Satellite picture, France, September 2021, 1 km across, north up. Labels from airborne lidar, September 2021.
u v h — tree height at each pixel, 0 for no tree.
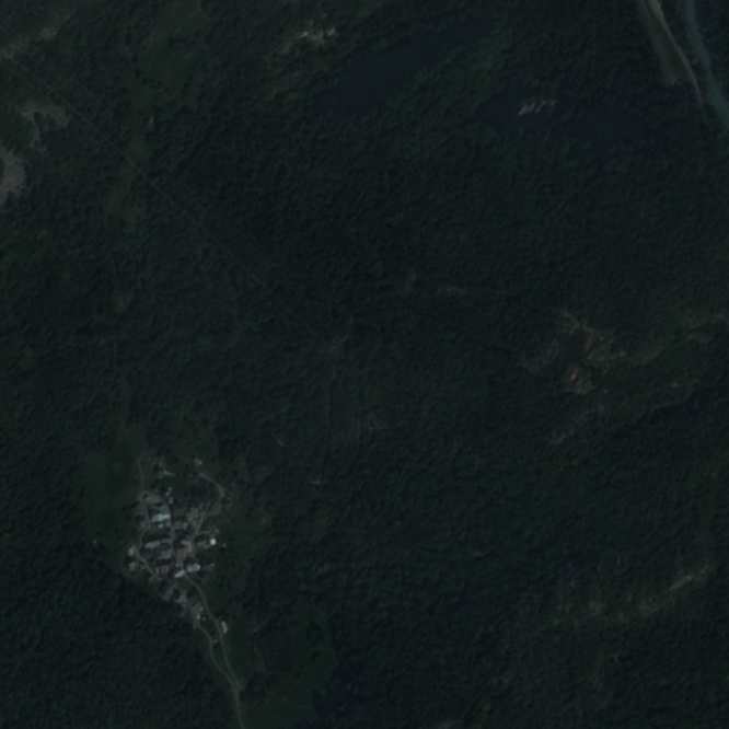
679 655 28
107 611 25
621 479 8
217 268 9
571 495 20
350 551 18
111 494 0
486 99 17
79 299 13
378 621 27
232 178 31
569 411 10
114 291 23
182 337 12
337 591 21
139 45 7
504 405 19
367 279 20
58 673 22
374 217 22
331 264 23
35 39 15
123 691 15
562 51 34
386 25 36
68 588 19
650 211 13
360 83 27
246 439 11
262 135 32
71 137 20
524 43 38
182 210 23
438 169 34
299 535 12
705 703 30
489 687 13
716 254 16
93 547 12
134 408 12
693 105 22
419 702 25
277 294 22
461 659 25
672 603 6
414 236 19
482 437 17
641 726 37
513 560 21
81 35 16
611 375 16
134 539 9
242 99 17
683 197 22
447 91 22
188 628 10
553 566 17
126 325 21
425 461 18
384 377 15
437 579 27
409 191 21
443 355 14
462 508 27
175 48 13
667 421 24
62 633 23
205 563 0
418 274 12
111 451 15
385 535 17
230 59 16
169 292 30
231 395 29
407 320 24
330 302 20
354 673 7
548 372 10
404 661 18
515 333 26
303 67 27
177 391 23
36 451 23
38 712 27
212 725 18
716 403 24
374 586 19
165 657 18
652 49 12
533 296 26
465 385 20
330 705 0
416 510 27
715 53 26
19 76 57
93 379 26
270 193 15
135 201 10
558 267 24
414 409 8
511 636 10
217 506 0
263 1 16
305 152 11
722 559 23
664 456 24
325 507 23
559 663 17
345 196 22
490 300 11
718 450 17
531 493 27
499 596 20
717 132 13
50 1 23
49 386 17
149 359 7
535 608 7
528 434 20
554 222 27
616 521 17
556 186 31
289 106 35
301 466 9
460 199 26
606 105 27
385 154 21
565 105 39
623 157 11
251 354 33
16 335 31
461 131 29
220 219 19
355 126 20
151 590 0
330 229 21
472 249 13
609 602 9
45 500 24
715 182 28
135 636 28
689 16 0
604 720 29
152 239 16
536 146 18
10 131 21
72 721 17
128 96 18
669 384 20
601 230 11
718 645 36
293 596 22
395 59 32
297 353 10
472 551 29
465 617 13
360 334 17
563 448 16
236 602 8
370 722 12
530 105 8
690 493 13
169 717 23
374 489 22
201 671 21
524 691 27
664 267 18
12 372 22
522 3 30
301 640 0
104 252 19
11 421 26
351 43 29
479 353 22
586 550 20
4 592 34
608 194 22
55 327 24
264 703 19
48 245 30
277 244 22
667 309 12
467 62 21
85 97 21
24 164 7
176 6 0
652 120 26
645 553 12
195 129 15
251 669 0
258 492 9
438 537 30
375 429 11
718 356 24
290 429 17
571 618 13
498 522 28
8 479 26
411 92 22
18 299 23
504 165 28
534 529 27
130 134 8
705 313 8
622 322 26
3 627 22
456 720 21
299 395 20
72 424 20
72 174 17
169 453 11
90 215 26
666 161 18
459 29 14
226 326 19
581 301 12
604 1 27
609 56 32
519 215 14
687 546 16
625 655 29
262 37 17
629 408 18
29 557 30
